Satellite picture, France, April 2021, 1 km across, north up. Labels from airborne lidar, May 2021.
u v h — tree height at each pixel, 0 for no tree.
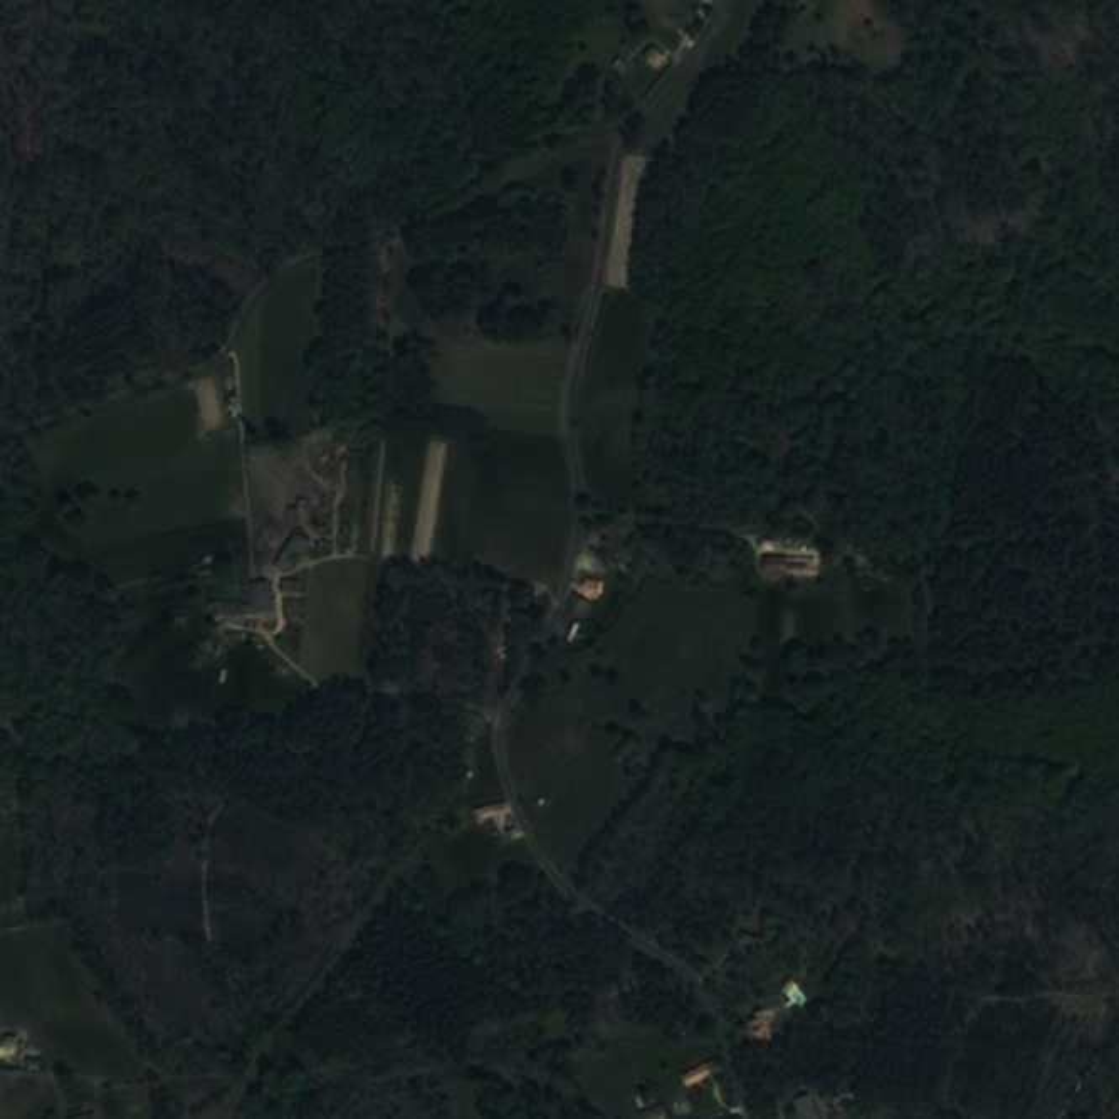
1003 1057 8
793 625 0
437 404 15
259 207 9
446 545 0
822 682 17
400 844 21
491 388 0
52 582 14
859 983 17
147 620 0
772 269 15
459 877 0
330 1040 20
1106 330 24
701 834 21
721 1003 11
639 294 12
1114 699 16
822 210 23
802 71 9
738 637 0
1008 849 14
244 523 0
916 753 20
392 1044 17
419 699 12
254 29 19
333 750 24
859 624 0
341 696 20
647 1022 15
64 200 7
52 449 0
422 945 19
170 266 27
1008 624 13
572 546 0
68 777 19
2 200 8
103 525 0
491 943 21
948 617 18
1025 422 16
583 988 8
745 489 18
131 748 15
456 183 19
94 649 17
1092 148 16
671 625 0
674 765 12
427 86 12
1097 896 21
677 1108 0
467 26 22
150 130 11
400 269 0
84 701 12
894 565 12
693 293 16
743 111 18
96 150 11
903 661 24
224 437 0
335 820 9
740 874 21
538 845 0
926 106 17
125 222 17
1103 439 18
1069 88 21
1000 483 21
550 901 18
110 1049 0
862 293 21
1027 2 18
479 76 19
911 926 18
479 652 22
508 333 16
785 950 9
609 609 0
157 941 8
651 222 20
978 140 25
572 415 0
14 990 0
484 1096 13
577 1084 6
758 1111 15
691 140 12
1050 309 22
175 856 7
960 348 17
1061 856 24
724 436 14
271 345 0
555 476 0
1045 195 24
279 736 25
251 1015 15
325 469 0
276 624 6
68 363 17
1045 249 20
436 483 0
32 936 0
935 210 25
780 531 17
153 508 0
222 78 17
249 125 21
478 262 11
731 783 13
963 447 18
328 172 12
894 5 20
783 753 25
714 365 22
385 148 26
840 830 20
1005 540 20
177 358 8
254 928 0
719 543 13
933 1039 22
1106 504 15
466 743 12
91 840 8
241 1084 18
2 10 7
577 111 18
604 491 0
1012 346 18
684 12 0
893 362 20
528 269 0
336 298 17
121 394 7
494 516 0
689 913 19
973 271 19
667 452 15
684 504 13
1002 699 16
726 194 13
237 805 13
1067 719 16
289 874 0
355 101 22
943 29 23
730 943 13
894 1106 8
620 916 7
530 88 22
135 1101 0
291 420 0
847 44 0
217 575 11
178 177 16
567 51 13
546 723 0
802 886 12
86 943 6
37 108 8
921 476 20
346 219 10
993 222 18
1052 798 25
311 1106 21
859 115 10
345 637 0
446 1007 19
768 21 16
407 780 21
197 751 21
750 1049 13
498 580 16
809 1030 20
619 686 14
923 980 22
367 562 0
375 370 16
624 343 0
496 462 0
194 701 0
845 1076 21
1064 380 16
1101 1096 18
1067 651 13
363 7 13
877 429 16
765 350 21
